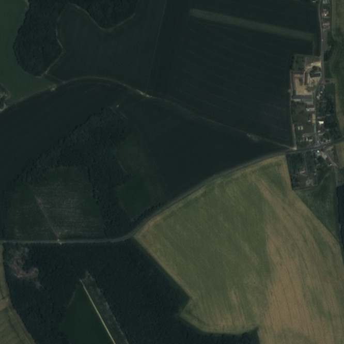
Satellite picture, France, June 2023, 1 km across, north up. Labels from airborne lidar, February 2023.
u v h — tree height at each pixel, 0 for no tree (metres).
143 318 18
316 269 0
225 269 0
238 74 0
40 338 23
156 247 0
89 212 0
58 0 28
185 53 0
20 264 12
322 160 21
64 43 0
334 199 0
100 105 0
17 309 17
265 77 0
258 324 0
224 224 0
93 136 25
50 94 0
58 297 23
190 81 0
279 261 0
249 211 0
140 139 0
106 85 0
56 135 0
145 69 0
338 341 0
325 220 0
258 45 0
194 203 0
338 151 0
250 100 0
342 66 0
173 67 0
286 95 0
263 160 0
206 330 0
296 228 0
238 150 0
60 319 19
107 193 23
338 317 0
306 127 0
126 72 0
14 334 0
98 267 20
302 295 0
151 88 0
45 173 20
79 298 0
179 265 0
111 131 25
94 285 0
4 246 13
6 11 0
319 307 0
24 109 0
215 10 0
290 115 0
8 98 0
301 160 8
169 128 0
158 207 9
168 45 0
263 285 0
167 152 0
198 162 0
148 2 0
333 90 0
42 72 17
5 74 0
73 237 7
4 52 0
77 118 0
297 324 0
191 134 0
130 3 19
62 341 14
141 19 0
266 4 0
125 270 21
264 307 0
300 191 0
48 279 23
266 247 0
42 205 0
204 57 0
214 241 0
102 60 0
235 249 0
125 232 21
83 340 0
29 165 5
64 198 0
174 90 0
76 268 19
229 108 0
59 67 0
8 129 0
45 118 0
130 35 0
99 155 22
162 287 19
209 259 0
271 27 0
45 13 23
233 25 0
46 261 24
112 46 0
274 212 0
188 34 0
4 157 0
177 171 0
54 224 0
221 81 0
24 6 0
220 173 0
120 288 19
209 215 0
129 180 16
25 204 0
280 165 0
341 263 0
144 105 0
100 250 21
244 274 0
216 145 0
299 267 0
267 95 0
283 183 0
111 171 27
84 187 0
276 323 0
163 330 19
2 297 0
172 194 0
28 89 0
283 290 0
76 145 26
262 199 0
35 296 20
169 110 0
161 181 0
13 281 23
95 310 0
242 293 0
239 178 0
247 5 0
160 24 0
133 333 19
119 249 23
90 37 0
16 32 0
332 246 0
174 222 0
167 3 0
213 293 0
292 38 0
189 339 23
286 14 0
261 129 0
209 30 0
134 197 0
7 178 0
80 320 0
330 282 0
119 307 17
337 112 0
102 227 0
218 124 0
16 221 0
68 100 0
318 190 0
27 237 0
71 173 0
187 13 0
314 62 0
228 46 0
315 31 0
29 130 0
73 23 0
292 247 0
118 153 0
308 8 0
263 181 0
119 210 21
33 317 22
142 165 0
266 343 0
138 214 0
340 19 0
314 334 0
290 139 0
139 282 18
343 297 0
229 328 0
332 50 6
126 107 0
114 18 16
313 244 0
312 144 0
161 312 20
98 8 19
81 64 0
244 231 0
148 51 0
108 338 0
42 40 25
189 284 0
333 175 0
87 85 0
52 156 21
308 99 0
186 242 0
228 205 0
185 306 0
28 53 21
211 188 0
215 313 0
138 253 19
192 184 0
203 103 0
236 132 0
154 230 0
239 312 0
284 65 0
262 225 0
